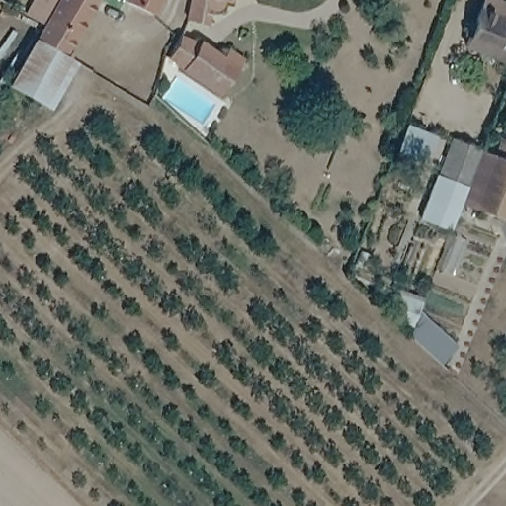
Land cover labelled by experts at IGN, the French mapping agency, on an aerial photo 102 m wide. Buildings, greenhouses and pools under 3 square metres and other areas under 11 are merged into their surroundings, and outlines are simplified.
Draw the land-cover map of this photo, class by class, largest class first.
<instances>
[{"label":"herbaceous vegetation","instance_id":"1","mask_svg":"<svg viewBox=\"0 0 506 506\"><path fill-rule=\"evenodd\" d=\"M409 8L403 14L407 34L403 36V40L395 42V45H389L379 40L372 32L370 24L358 12L354 0H340L338 12L332 14L328 22L330 26H334L344 20L348 30L346 40L338 49V53L326 61L324 67L314 69L312 77L300 81L295 87H281L275 67H271L265 61V57L281 47L298 42L308 61H314L310 28L300 30L269 22H247L227 36L225 42H231V49L247 61L243 63L239 77H235V85L231 89H219V93L215 95L219 99H229L231 105L221 107L213 123L217 126L219 138H225L227 142L239 148L251 146L255 150L259 174H265V160L269 156L279 158L287 168L293 170L295 190L291 192V202H295L296 208L306 211L310 219L320 223L324 233L322 243L316 245L285 215H279L277 211L271 210L269 198L257 192L251 184H247L243 176L237 174L227 164V160L211 148L206 136L200 134L198 128L190 125L180 113L172 109L168 103L164 101V95H156L150 105L144 103L154 79L164 75V61L170 57L180 47L182 38V32L186 30L190 22L192 0H148L146 6H138L128 0H105V8L97 6L87 30L81 34V40L77 45L75 61L81 67L89 69L95 75L87 93L103 97V103L87 113L79 128L81 132H85V138L91 142V146L101 148L111 156L115 166L111 174L97 176L91 164L69 148L67 136L63 132H55L51 140L55 144V150L69 160V170L65 176L49 164L47 156L38 148L36 146L28 156H32L43 172H47L55 188H61L65 194L77 200V206L85 215V221L105 223L115 243L128 253V259H140L146 269L156 273L164 291H172L182 300L172 314L162 312L158 304L150 302L148 296L142 293V289L136 287L130 279H126L115 267L107 247L95 249L79 231V227L67 221L63 215H59V211L47 200H43L40 192L26 184L14 168L0 182V293L6 285H10L16 295L28 298L34 304L43 326L51 330L47 340H36L24 330V326L16 318H12L16 304L0 302V429L6 431L24 451H28L36 466L45 474H49L79 506H138L136 500L126 496L119 488L111 486L103 463H87L85 449H75L67 439L69 431L79 427L87 433L89 441L99 443V447L107 453L111 463L121 472H125L130 480L142 476L144 470L138 464L132 463L123 451L115 449L83 413L73 409L69 397H65L49 385V379L57 372H67L69 366L65 364V358L73 350H77L79 340L69 332L67 324H63L49 310L51 304L36 295L40 283H43L51 296H55L61 304H67L73 316H79L89 324V330L95 340H103L109 350H115L117 356L125 358V368H117L113 374L107 362H103L95 352H91L89 348L83 350L85 358L93 364L99 381L111 385L113 389H119L125 381L128 385H134V374H140L146 385L152 389V393L166 403L162 409V417L178 409L182 419L192 421L202 435H208L215 449L227 453L239 470H247L251 482L257 488H263L273 502H281V506H378L368 502L358 492V488L346 480V476L356 470H360L364 478H370L374 484H378L383 496H389L393 500V506H415L413 498L405 496L395 484L381 476L378 470L360 455V451L344 439L342 431L330 429L324 423V417L314 413L306 405L304 397H296L287 383H281L269 372V368L261 366L255 358L247 360L245 366L265 379L271 385V389H275L289 401V405L302 411V415L314 423V427L324 439L334 441L336 449L342 455L338 463L332 464L322 453L310 451V447L300 435H296L285 421H279L275 417V413L269 409V399L265 395L257 399L251 393V387H245L239 379L233 378V374L217 360V356L227 354L231 350L233 360H239L247 352L239 338L231 334V330L237 326L243 328L251 338H263L279 358L287 360L291 368L306 379L310 387H316L324 403L334 405L344 419L352 421L362 431V435L374 445L379 457H387L395 466L397 474L407 478L415 492L423 490L429 482L421 476L415 464L405 463L393 449H389L379 439L374 431L376 427L393 425L395 433H401L409 439L417 455L427 453L439 468H445L451 474L453 490L449 494L437 496L433 500L435 506H457L472 492L476 484L482 482L484 472L490 466L488 459L478 457L472 441L463 439L451 427L449 421L455 413H468L472 425L482 429L490 437L492 455L498 459L506 453V413L500 411L498 401L492 393L498 383H506V370L500 372L496 368H490L488 381L476 378L470 372V358L480 360L482 364H492L494 356L490 340L500 334H506V257H498L496 267L492 269V275L488 279L490 283L486 287L488 298H482V308L476 310L480 318L472 322L474 330H468V340L464 342L466 352H461V360L457 362L461 372L453 374L451 362L439 366L417 344V338L413 336L405 338L391 324V320L383 318L381 308L370 302L366 293L358 291L342 271L350 253L338 241L336 213L340 210V202L348 200L352 204V221L356 225L368 223L372 231H376L381 213L387 217L391 215V210L387 208L391 202H399L405 206L411 198H423L437 160L427 156L425 160V168L421 170V174L411 178L409 184L403 182V178L397 172L381 178L383 194L379 196L378 202L370 206V210L358 213L360 204L368 196H372L374 176L378 174L379 166L385 162V156H381L378 150L379 136L383 132L379 119L397 111L401 97L413 87L409 79L419 63L423 43L441 0H395ZM336 85L340 87L344 101L350 107H356L364 113V132L356 138L346 136L338 150L310 154L304 148L293 144L289 136H285L279 119L287 117L296 97H320L324 91H330ZM99 117L103 121L113 119V123L119 128V134L125 142L119 150H115L109 142L93 134L91 128ZM154 134H164L166 138H170V148H182L186 156L196 158L200 162V168L208 174L204 178V184L215 186L219 182V188L223 192H229L235 204L241 208L237 213L239 217L247 219L251 215L253 221H261L265 227L259 229L257 237H273L279 247L277 253H255L233 231V227L219 217V213L202 194V190H188L178 180V176L168 172L160 160L152 158L144 150L142 142H146ZM83 174L91 180L93 186H105L109 190V198L115 204L123 200L121 186L125 182L140 180L148 196L154 200L156 208L162 213V217L154 225H150L144 219V215L130 208L126 211V219L128 223L138 225L140 229V235L132 239L126 231H121L117 227L111 215L95 210L87 202L85 194L71 182L75 176ZM156 182L172 184V188L178 192V204L174 208H168V204L156 188ZM320 184H330L326 211L314 210L310 206ZM32 202L36 204L38 211H43L49 217L51 223L61 225V229L67 233L69 239L63 245H59L53 235L42 233L30 217H24L18 211ZM182 235L198 237L200 245H206L213 251L219 263L229 265L233 275L237 277V289L223 291L213 275L200 271L194 263H190L174 243V239ZM81 247L89 253V257L101 261L109 281H113L126 296L134 298L140 304L142 312L138 316L126 314L123 304L117 298L109 295L87 271L73 263V257L79 253ZM168 263H176L178 269L188 271L196 281L202 283L204 295H210L213 300H217L210 310H206L194 296L188 295V291H184L176 283V279L166 271ZM316 287H328V291L340 293V298L348 306V316L342 320L332 318L326 308H320L314 300H310L306 291ZM261 302L273 306L293 326L296 336H302V324L308 322L310 316L320 320L322 328L328 330V338H316V348L312 352L318 354L326 366H332L340 374L342 381L352 385L368 405L378 407V421L368 425L358 409L350 411L328 389L326 381L308 372L306 366L296 360L295 354L269 332V328H259L253 322L249 314L257 310ZM188 310H194L204 320L200 328L192 330L182 324L180 316ZM362 330H368L374 336H378L381 344V354L378 358H370L366 350H362V346L356 342V336ZM130 332H138L142 342L158 352L160 360L168 364L164 372L174 370L180 381H184L182 389H168L162 376L150 374L144 362L128 350L123 340ZM350 352L358 354L366 368L376 370L381 383L374 389V393H370L360 383L358 374L344 368L342 360ZM202 364H208L215 372L217 381L211 387L202 385L200 379L196 378V372ZM192 391H196V395L215 415L225 417L231 423L237 437L247 441L249 449L245 455L237 453L217 427L210 425L206 419L198 415L196 409L190 407L186 393ZM403 401H409L411 409H417L421 417L431 419L435 425V433L439 437L447 435L449 439H453L455 447L461 453H466L468 461L474 464L472 474L461 476L455 464L437 455L427 445V441H423L417 435L415 427L405 425L397 417V405H401ZM257 419H265V423L275 433L283 435L285 443L279 449H273L269 439L255 427ZM295 449L300 451L302 459L310 466L314 463L322 466L326 478L320 484L306 478L291 464V455ZM269 468H281L287 482L283 486H273L265 478V472ZM259 4L291 12L312 10L320 6L324 0H257ZM484 0H468L464 6L461 24L463 36L459 38V42L449 47V53L443 57L447 65H455L461 59H480V55L464 49L478 30V16ZM43 32L42 22L30 12H26V16H18L8 14L0 8V93L14 87L18 73L22 71L28 55L32 53ZM486 75L482 77V83L472 85L468 89L474 93L492 95L498 89L502 75L506 73V61L494 63V59L488 57L484 61ZM51 109L36 101L30 105L28 115L24 119L14 117L16 128L0 132V154L16 146L22 140L24 132H30L34 138L40 136V123L51 119Z\"/></svg>","mask_w":506,"mask_h":506},{"label":"deciduous trees","instance_id":"2","mask_svg":"<svg viewBox=\"0 0 506 506\"><path fill-rule=\"evenodd\" d=\"M36 0H0V8L8 14L18 16H26V12H30ZM358 12L370 24L372 32L379 40L389 45H395V42L403 40V36L407 34L403 14L409 8L395 0H354ZM314 61H308L298 42L281 47L265 57V61L271 67H275L281 87H295L300 81L312 77L314 69L324 67L326 61L338 53V49L346 40L348 30L344 20L334 26H330L328 22H320L310 28ZM449 77L457 79L464 89H468L472 85L482 83V77L486 75L484 61L480 59H461L455 65H447ZM480 132L486 134V142L480 148L484 152H490L492 148H500L502 142H506V73L502 75L498 89L492 95L490 111L480 128ZM170 83L164 75L154 79L144 103L150 105L156 95H164ZM285 136H289L293 144L304 148L310 154L338 150L346 136L356 138L364 132V113L356 107H350L344 101L340 87L336 85L330 91H324L320 97H296L287 117L279 119ZM421 91L413 87L401 97L397 111L379 119L383 132L379 136L378 150L381 156H385V162L379 166L378 174L374 176L372 196H368L360 204L358 213L370 210V206L378 202L379 196L383 194L381 178L397 172L403 178V182L409 184L411 178L421 174V170L425 168V160H407V154L401 152V142L407 134V128L413 126V107ZM93 134L109 142L115 150H119L125 142L119 134V128L113 123V119L103 121L99 117L91 128ZM211 148L227 160V164L237 174L243 176L247 184H251L257 192L269 198L271 210L277 211L279 215H285L316 245L322 243L324 233L320 223L310 219L306 211L296 208L295 202H291V192L295 190L293 170L287 168L279 158L269 156L265 160V174H259L255 150L251 146L239 148L227 142L225 138H219L217 126L213 123L208 128L206 136ZM69 148L91 164L97 176L111 174L115 166L111 156L101 148L91 146V142L85 138V132H81L79 128L67 132V136ZM144 150L152 158L160 160L168 172L178 176V180L188 190H202V194L219 213V217L233 227V231L255 253H277L279 247L273 237H257L259 229L265 227L261 221H253L251 215L247 219L239 217L237 213L241 208L235 204L229 192H223L219 188V182L215 186L204 184V178L208 174L200 168V162L196 158L186 156L182 148H170V138H166L164 134H154L146 142H142ZM47 156L49 164L65 176L69 170V160L55 150V144L51 140L49 144H43L38 148ZM26 184L40 192L43 200H47L59 211V215H63L67 221L79 227V231L95 249L107 247L115 267L126 279H130L136 287L142 289V293L148 296L150 302L158 304L162 312L172 314L182 300L172 291H164L156 273L146 269L140 259H128V253L115 243L105 223L85 221V215L77 206V200L65 194L61 188H55L47 172H43L32 156H18L14 168ZM71 182L85 194L87 202L95 210L111 215L117 227L121 231H126L132 239L140 235V229L138 225L128 223L126 219V211L130 208L144 215V219L150 225H154L162 217V213L156 208L154 200L148 196L140 180L125 182L121 186L123 200L115 204L109 198V190L105 186H93L91 180L83 174L75 176ZM156 188L168 204V208H174L178 204V192L172 188V184L156 182ZM330 184H320L310 206L314 210L326 211ZM352 204L348 200L340 202V210L336 213L338 241L350 253L360 251L362 243L356 225L352 221ZM18 211L24 217H30L42 233L53 235L59 245H63L69 239L67 233L61 229V225L51 223L49 217L43 211H38L36 204L32 202ZM391 210V215L393 225L389 227L387 241L391 249H397L407 227L405 206L399 202H391L387 208ZM413 233H417L419 237L457 239V231L453 229L425 223H415L413 227ZM174 243L190 263H194L200 271L213 275L223 291L237 289V277L233 275L229 265L219 263L213 251L206 245H200L198 237L182 235L174 239ZM73 263L87 271L109 295L117 298L123 304L126 314L138 316L142 312L140 304L134 298L126 296L113 281H109L101 261L89 257V253L81 247L79 253L73 257ZM370 285L366 293L370 302L381 308L383 318L391 320V324L405 338L413 336V326L407 318V304L401 300V293L421 298L433 287V279L425 271L417 275L407 273V265L401 263L385 267L381 265V259L376 253L370 257ZM166 271L176 279V283L184 291H188V295L194 296L206 310H210L217 300H213L210 295H204L202 283L196 281L188 271L178 269L176 263H168ZM36 295L51 304L49 310L63 324H67L69 332L79 340L77 350H73L65 358V364L69 366L67 372H57L49 379V385L65 397H69L73 409L83 413L115 449L123 451L132 463L138 464L144 470L142 476L130 480L125 472H121L111 463L107 453L99 447V443L89 441L87 433L79 427L69 431L67 439L75 449H85L87 463H103L111 486L119 488L126 496L136 500L138 506H281V502H273L263 488H257L251 482L247 470H239L227 453L215 449L208 435H202L192 421L182 419L178 409L162 417V409L166 403L152 393V389L146 385L140 374H134V385H128L125 381L119 389H113L111 385L99 381L93 364L85 358L83 350L89 348L91 352H95L103 362H107L113 374L117 368H125V358L117 356L115 350H109L103 340H95L89 330V324L79 316H73L67 304H61L55 296H51L43 283H40ZM0 302L16 304L12 318H16L24 326V330L36 340H47L51 330L43 326L34 304L28 298L16 295L10 285H6L0 293ZM310 300H314L320 308H326L332 318L342 320L348 316V306L340 298V293L328 291V287H316L306 291ZM253 322L259 328H269V332L295 354L296 360L306 366L308 372L326 381L328 389L350 411L358 409L368 425L378 421V407L368 405L352 385L342 381L340 374L332 366H326L318 354L312 352L316 348V338H328V330L322 328L320 320L310 316L308 322L302 324V336H296L293 326L273 306L261 302L257 310L249 314ZM182 324L192 330L200 328L204 320L194 310H188L180 316ZM231 334L239 338L247 352L239 360H233L231 350L227 354L217 356V360L233 374V378L239 379L245 387H251V393L257 399L265 395L269 399V409L275 413V417L279 421H285L296 435H300L310 447V451L322 453L332 464L338 463L342 455L336 449L334 441L324 439L314 427V423L302 415V411L289 405V401L275 389H271V385L265 379L245 366L247 360L255 358L261 366L269 368V372L281 383H287L296 397H304L306 405L314 413L324 417V423L330 429L342 431L344 439L360 451V455L378 470L381 476L395 484L405 496L413 498L415 506H435L433 500L437 496L449 494L453 490L451 474L445 468H439L427 453L417 455L409 439L401 433H395L393 425L376 427L374 431L379 439L389 449H393L405 463L415 464L421 476L429 482L423 490L415 492L407 478L397 474L395 466L387 457H379L374 445L362 435V431L352 421L344 419L334 405L324 403L316 387H310L306 379L291 368L287 360L279 358L263 338H251L243 328L237 326L231 330ZM356 342L362 346V350H366L370 358H378L381 354V344L378 336H374L368 330H362L356 336ZM128 350L144 362L150 374L162 376L168 389H182L184 381H180L174 370L164 372L168 364L160 360L158 352L142 342L138 332H130L123 340ZM494 356L492 364H482L480 360L470 358V372L476 378L488 381L490 368H496L500 372L506 370V334H500L490 340ZM344 368L358 374L360 383L370 393H374V389L381 383L376 370L366 368L358 354L350 352L342 360ZM196 378L200 379L202 385L211 387L217 381L215 372L208 364H202L196 372ZM498 401L500 411L506 413V383H498L492 393ZM190 407L196 409L198 415L206 419L210 425L217 427L237 453L245 455L249 449L247 441L237 437L231 423L225 417L215 415L196 395V391H192L186 393ZM397 417L405 425L415 427L417 435L423 441H427V445L437 455L455 464L461 476L472 474L474 464L468 461L466 453H461L455 447L453 439H449L447 435L439 437L435 433V425L431 419L421 417L417 409H411L409 401H403L401 405H397ZM451 427L463 439L472 441L478 457L488 459L492 455L490 437L482 429L472 425L468 413H455L449 421ZM255 427L269 439L273 449H279L285 443L283 435L275 433L265 423V419H257ZM291 464L306 478L320 484L326 478L322 466L314 463L310 466L302 459L300 451L295 449L291 455ZM265 478L273 486H283L287 482L281 468H269L265 472ZM346 480L358 488V492L368 502L378 506H393V500L389 496H383L378 484H374L370 478H364L360 470H356L346 476Z\"/></svg>","mask_w":506,"mask_h":506},{"label":"building","instance_id":"3","mask_svg":"<svg viewBox=\"0 0 506 506\"><path fill-rule=\"evenodd\" d=\"M97 6L105 8V0H36L30 12L42 22L43 32L32 53L28 55L22 71L18 73L14 87L16 91L36 101L51 109L57 107L75 73L81 67L75 61L77 45L81 40V34L87 30ZM138 6H146L148 0H128ZM237 4V0H192L190 22L186 30L204 32L208 24H213L215 14H227L229 8ZM480 55V59L484 61L488 57L494 59V63L506 61V0H484L478 16V30L464 49ZM196 42L190 38H182L180 47L170 57L178 65L180 73H184L188 79H192L194 83L210 91L211 95H215L219 93V89H231L235 85V77H239L243 63L247 61L231 49L217 51L210 45H202L200 55H194ZM445 144L443 138H439L437 134L413 126L407 128V134L401 142V152L407 154V160H425L427 156L437 160L441 158ZM464 202L468 206L480 204L492 213V221L496 225H500L502 229L506 227V142H502L500 148H492L490 152H484L480 148L464 144L461 140H455L451 146L443 174L437 178V184L423 213L425 223L453 229L461 217ZM370 257L368 253H362L360 261L354 267L358 279L364 285H370ZM401 300L407 304V318L413 326V336L417 338V344L439 366L451 362V356L457 350V340L449 338L441 328L435 326V322L423 310L425 304L421 298L401 293Z\"/></svg>","mask_w":506,"mask_h":506},{"label":"agricultural land","instance_id":"4","mask_svg":"<svg viewBox=\"0 0 506 506\"><path fill-rule=\"evenodd\" d=\"M451 146L445 144L441 158L437 160L423 198H411L405 206L407 227L397 249H391L387 241L389 227L393 225L391 215L387 217L381 237L378 243H374L376 253L381 259V265L385 267L401 263L407 265V273L417 275L425 271L433 279V287L421 298L425 304L423 310L435 322V326L441 328L449 338L457 340L470 298L476 293V283L480 281L484 263L496 243L494 231L474 227L461 217L453 229L457 231V239L419 237L417 233H413V227L415 223H425L423 213L437 184V178L443 174ZM0 506H79L49 474H45L36 466L28 451H24L6 431L0 429ZM478 506H506V476L486 498L478 502Z\"/></svg>","mask_w":506,"mask_h":506},{"label":"pervious surface","instance_id":"5","mask_svg":"<svg viewBox=\"0 0 506 506\"><path fill-rule=\"evenodd\" d=\"M468 0H457L445 26L441 43L433 55L429 77L423 83L421 91L413 107V126L437 134L439 138H443L445 144L451 146L455 140H461L464 144L480 148L486 142V134L480 132V128L490 111L492 95L474 93L468 89H464L457 79L449 77L447 65L443 57L449 53V47L459 42V38L463 36L461 24L464 6ZM95 75L89 69L81 67L75 73L57 107L51 109V119L40 123V136L34 138L30 132H24L22 140L16 146L0 154V182L14 168L18 156H28L36 146L38 148L43 144H49L55 132H63L67 136V132L79 128L87 113L103 103V97L87 93ZM490 466L484 472L482 482L476 484L472 492L457 506H478V502L486 498L506 476V453L498 459L492 455L488 459Z\"/></svg>","mask_w":506,"mask_h":506},{"label":"impervious surface","instance_id":"6","mask_svg":"<svg viewBox=\"0 0 506 506\"><path fill-rule=\"evenodd\" d=\"M340 0H324L320 6L312 10L291 12L259 4L257 0H237V4L229 8L227 14H215L213 24H208L204 32L186 30L182 32V38H190L196 42L194 55H200L202 45H210L217 51L231 49V42H225L227 36L247 22H269L300 30L310 28L320 22H328L332 14L338 12ZM164 75L170 83L164 95V101L168 103L180 87L188 89L190 93L206 101L210 105V115L204 121L194 119L186 111L180 113L190 125L198 128L200 134L206 136L208 128L213 123L221 107L231 105L229 99H219L215 95H211L210 91L194 83L192 79H188L184 73H180L178 65L170 57L164 61ZM461 217L474 227L494 231L496 243L484 263L480 281L476 283V293L470 298L457 340V350L451 356V362L453 374L461 372L457 362L461 360V352H466L464 342L468 340V330H474L472 322L480 318L476 310L482 308V298H488L486 287L490 283L488 279L492 275V269L496 267L498 257H506V227L502 229L500 225H496L492 221V213L480 204L468 206L464 202Z\"/></svg>","mask_w":506,"mask_h":506},{"label":"brushwood","instance_id":"7","mask_svg":"<svg viewBox=\"0 0 506 506\"><path fill-rule=\"evenodd\" d=\"M457 0H441L423 43L419 63L409 79L413 87L421 91L423 83L429 77L433 55L441 43L445 26ZM36 101L16 91L14 87L0 93V132L16 128L14 117L24 119L28 115L30 105ZM387 217L381 213L376 231H372L368 223L356 225L362 243L360 251L350 253L342 271L358 291L366 293L370 285H364L358 279L354 267L360 261L362 253H368L370 257L376 253L374 243H378L381 237Z\"/></svg>","mask_w":506,"mask_h":506},{"label":"swimming pool","instance_id":"8","mask_svg":"<svg viewBox=\"0 0 506 506\"><path fill-rule=\"evenodd\" d=\"M172 109L180 113L186 111L194 119L204 121L210 115V105L206 101L190 93L188 89L180 87L168 103Z\"/></svg>","mask_w":506,"mask_h":506}]
</instances>
